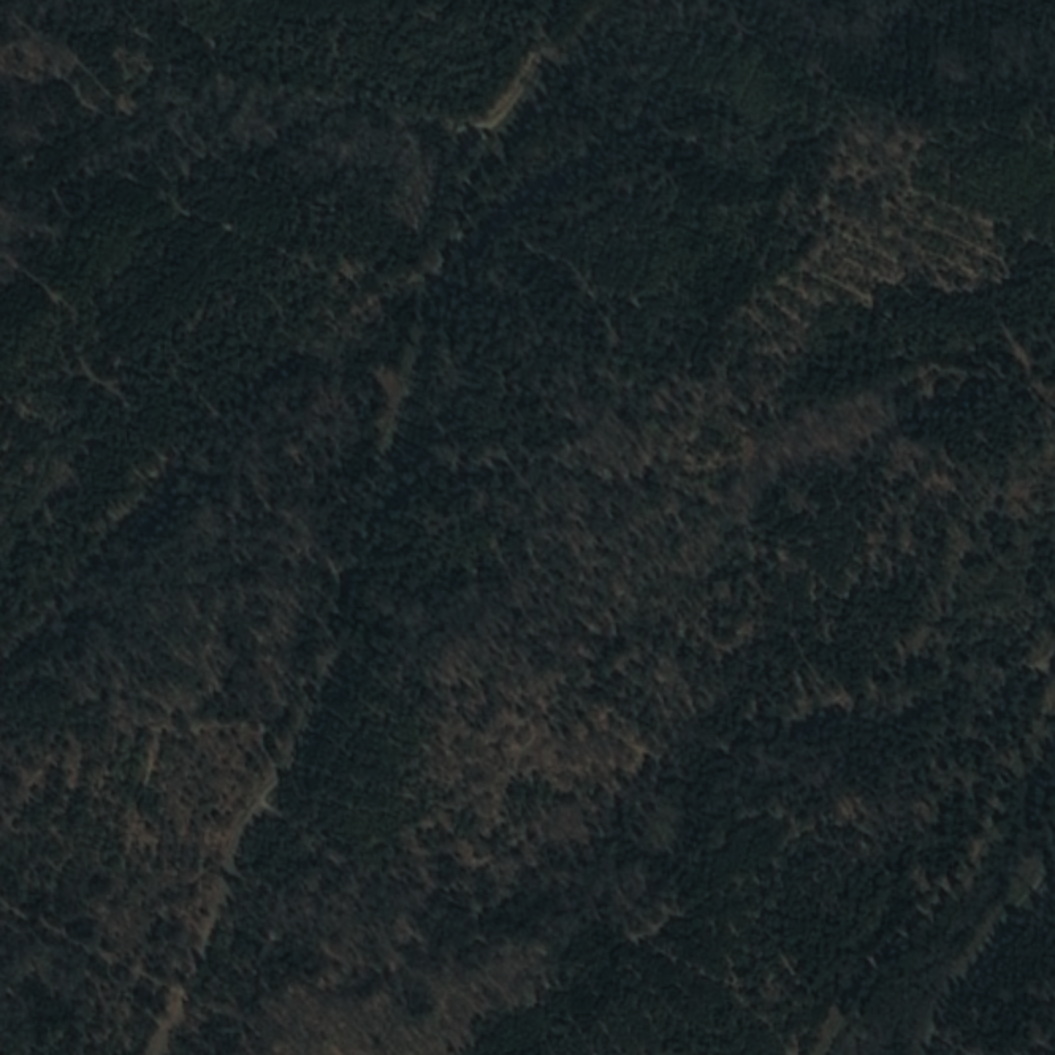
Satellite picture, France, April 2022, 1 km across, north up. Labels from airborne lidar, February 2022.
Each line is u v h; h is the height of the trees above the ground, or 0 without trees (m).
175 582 20
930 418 25
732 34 12
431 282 0
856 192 7
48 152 16
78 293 13
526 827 20
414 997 16
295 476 25
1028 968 20
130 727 0
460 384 0
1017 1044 16
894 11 23
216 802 9
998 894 9
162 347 22
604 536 27
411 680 8
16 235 22
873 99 12
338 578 28
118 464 23
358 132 14
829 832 24
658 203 10
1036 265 13
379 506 31
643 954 11
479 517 17
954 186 11
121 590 24
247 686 26
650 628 24
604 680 20
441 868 15
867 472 14
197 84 30
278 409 24
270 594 31
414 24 19
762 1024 7
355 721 11
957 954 8
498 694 24
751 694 24
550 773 7
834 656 27
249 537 28
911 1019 9
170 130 22
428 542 23
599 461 21
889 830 25
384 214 24
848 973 29
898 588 21
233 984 10
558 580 24
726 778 25
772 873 11
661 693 23
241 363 29
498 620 24
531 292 30
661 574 21
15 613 26
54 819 6
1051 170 12
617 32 13
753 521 24
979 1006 17
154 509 9
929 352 30
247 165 15
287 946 21
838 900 31
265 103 22
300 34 17
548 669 24
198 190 14
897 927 19
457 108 31
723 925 12
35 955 28
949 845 30
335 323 9
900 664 29
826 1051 0
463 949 12
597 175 19
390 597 25
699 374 14
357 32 23
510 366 22
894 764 34
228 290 12
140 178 14
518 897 13
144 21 21
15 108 18
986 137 11
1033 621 12
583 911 15
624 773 15
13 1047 22
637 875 24
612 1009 18
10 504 14
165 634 23
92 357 11
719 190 12
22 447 7
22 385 9
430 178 28
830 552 9
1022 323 33
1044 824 22
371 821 10
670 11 21
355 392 9
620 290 9
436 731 7
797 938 28
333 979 23
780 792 21
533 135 27
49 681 12
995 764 26
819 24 20
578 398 25
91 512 31
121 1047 9
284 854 12
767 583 10
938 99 15
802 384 25
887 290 9
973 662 13
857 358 25
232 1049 12
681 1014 16
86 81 13
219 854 7
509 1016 23
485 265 32
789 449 25
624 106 28
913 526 27
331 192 21
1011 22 22
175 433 31
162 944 20
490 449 15
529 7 12
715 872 9
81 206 17
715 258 12
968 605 11
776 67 12
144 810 11
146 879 12
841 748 28
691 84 13
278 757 26
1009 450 30
